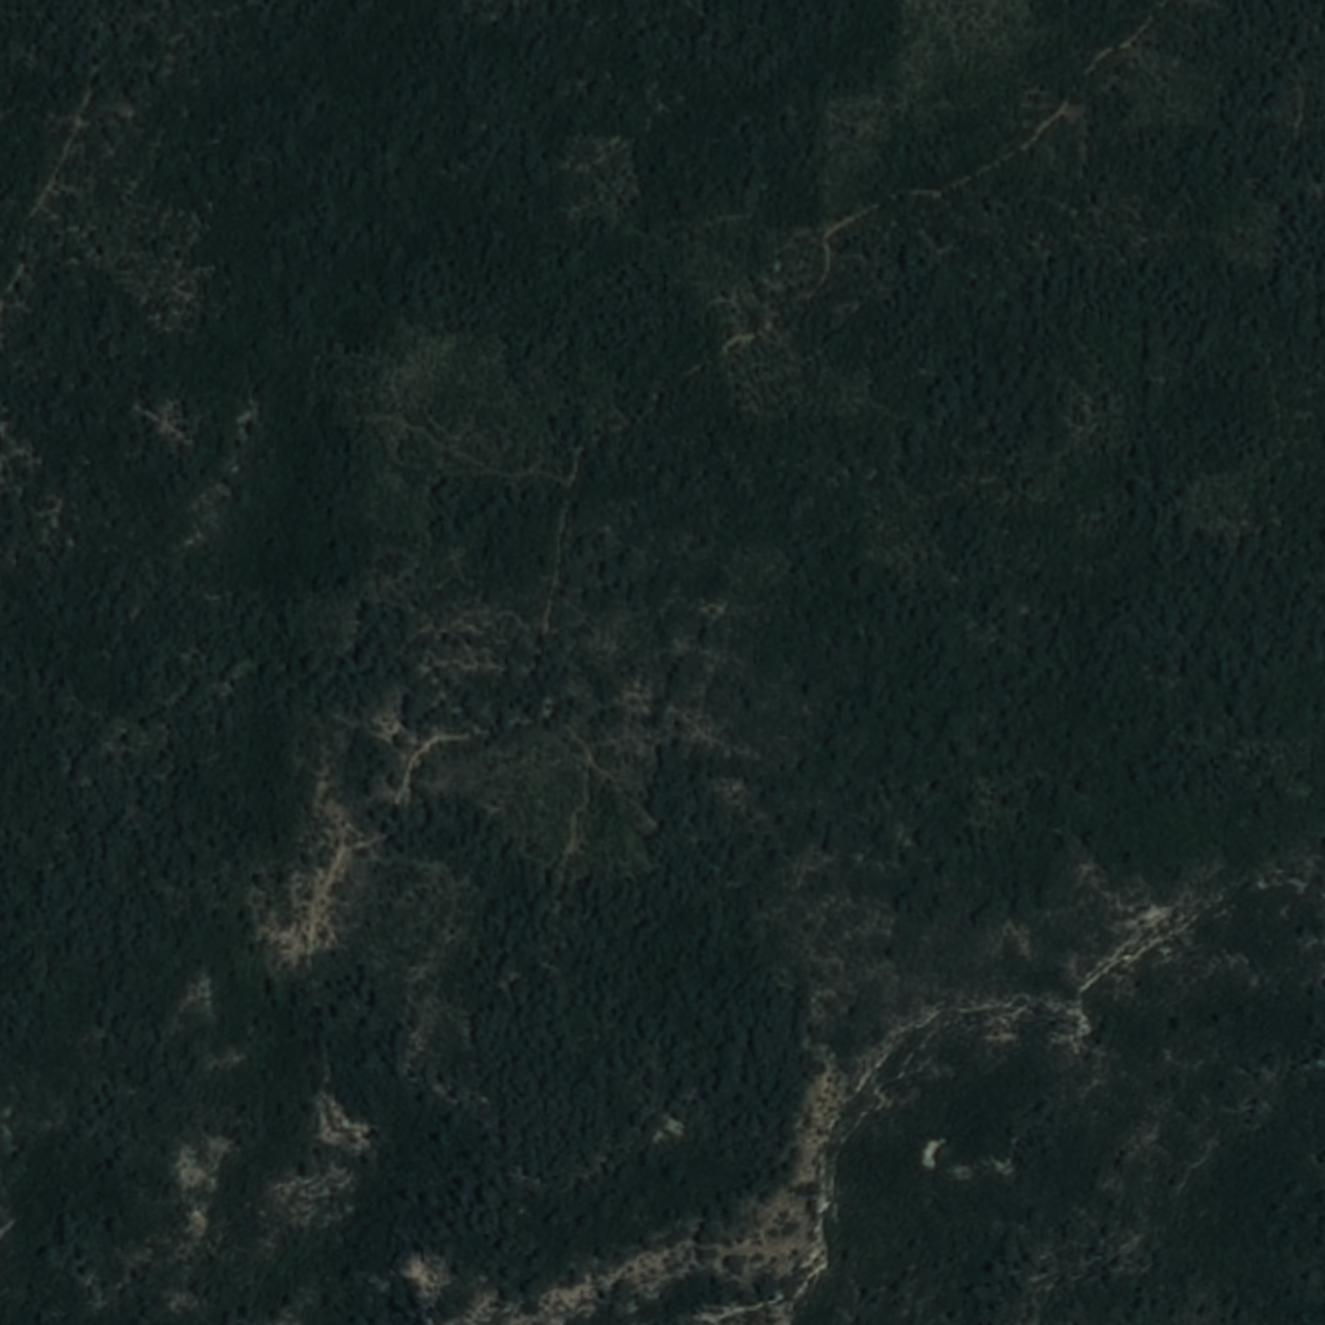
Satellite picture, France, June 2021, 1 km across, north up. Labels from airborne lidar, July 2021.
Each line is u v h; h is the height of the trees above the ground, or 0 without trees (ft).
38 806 22
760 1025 52
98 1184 42
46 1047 20
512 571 20
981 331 33
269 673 52
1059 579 27
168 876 51
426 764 20
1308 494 20
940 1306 33
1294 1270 20
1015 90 19
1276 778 43
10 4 31
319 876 0
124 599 59
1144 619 52
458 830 24
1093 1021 25
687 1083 46
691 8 18
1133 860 50
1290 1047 27
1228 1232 36
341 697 37
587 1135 52
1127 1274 24
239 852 63
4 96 22
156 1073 49
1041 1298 35
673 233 22
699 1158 29
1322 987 30
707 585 18
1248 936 21
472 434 21
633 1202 57
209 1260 36
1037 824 28
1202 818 19
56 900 56
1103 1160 43
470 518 45
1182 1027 90
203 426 25
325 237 60
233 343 26
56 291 19
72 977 25
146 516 22
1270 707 41
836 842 40
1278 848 34
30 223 18
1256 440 51
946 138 32
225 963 23
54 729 37
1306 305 23
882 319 18
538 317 28
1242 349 31
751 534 17
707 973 30
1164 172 29
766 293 24
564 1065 58
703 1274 18
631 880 51
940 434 24
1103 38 21
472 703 31
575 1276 33
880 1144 29
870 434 17
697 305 37
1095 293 40
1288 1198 24
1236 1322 58
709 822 39
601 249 30
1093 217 19
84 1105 20
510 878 32
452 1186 28
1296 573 45
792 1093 40
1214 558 22
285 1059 43
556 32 29
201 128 29
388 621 53
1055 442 45
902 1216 24
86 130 25
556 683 50
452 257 24
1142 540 30
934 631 28
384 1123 27
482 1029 45
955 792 20
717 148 25
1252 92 35
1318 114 25
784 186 27
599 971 29
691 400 43
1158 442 34
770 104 27
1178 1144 30
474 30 31
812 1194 28
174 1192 40
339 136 45
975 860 22
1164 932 67
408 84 28
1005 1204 22
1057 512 18
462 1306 20
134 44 26
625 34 44
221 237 20
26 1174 22
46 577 39
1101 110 31
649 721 22
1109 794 27
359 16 26
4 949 52
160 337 24
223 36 25
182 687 26
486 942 21
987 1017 42
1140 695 22
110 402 34
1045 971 19
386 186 55
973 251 35
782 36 37
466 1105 43
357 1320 74
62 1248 54
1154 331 49
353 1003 37
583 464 21
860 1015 33
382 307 28
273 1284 23
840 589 25
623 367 27
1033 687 22
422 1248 45
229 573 27
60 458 27
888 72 20
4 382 19
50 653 31
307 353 28
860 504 18
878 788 20
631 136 29
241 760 59
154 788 53
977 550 53
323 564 30
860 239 37
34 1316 29
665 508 20
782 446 20
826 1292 20
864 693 28
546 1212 21
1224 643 55
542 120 24
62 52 29
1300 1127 30
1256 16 36
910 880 19
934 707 28
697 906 33
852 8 31
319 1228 20
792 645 23
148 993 28
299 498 31
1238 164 42
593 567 32
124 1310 34
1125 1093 21
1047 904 35
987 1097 21
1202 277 25
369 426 26
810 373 23
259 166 29
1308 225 59
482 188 24
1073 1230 66
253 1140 44
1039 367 35
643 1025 60
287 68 23
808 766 38
